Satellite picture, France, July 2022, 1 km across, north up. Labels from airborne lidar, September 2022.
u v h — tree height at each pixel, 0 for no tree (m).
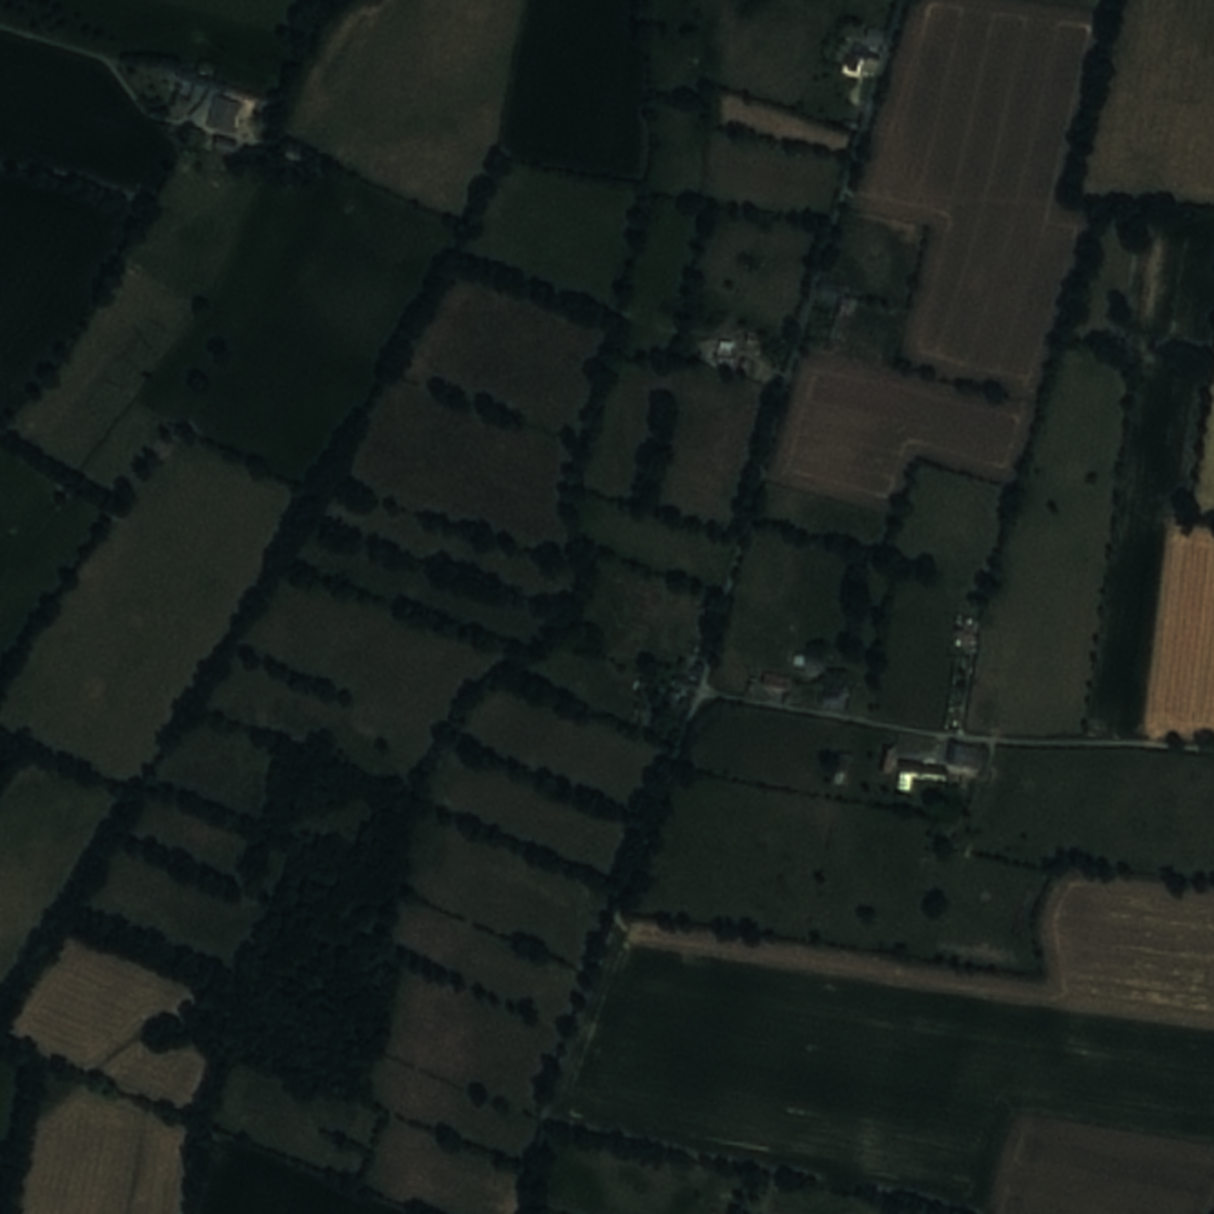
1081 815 0
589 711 11
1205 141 0
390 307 0
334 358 0
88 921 14
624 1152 16
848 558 16
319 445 0
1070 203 12
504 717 0
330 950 7
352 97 0
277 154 15
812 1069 0
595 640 8
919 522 0
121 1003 0
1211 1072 0
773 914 0
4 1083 0
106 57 0
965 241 0
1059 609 0
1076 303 20
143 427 0
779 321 0
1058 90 0
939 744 0
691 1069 0
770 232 0
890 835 0
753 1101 0
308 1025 14
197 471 0
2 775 17
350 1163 0
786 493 0
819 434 0
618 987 0
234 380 0
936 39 0
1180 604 0
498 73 0
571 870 13
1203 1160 0
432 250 0
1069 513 0
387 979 11
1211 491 0
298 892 11
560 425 0
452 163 0
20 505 0
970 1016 0
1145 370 13
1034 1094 0
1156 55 0
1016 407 0
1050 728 0
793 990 0
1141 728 0
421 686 0
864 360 0
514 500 0
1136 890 0
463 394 15
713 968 0
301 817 9
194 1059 0
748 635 0
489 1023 0
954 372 0
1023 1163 0
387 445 0
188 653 0
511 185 0
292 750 19
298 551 13
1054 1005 0
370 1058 19
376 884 14
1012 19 0
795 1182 16
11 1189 21
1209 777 0
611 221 0
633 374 0
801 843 0
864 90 0
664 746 8
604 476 0
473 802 0
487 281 18
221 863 0
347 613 0
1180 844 0
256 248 0
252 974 19
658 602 0
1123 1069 0
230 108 0
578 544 17
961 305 0
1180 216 20
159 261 0
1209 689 0
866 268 0
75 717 0
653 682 10
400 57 0
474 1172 0
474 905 0
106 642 0
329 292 0
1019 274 0
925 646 0
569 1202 0
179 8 0
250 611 18
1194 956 0
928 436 0
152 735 0
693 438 0
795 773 0
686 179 0
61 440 0
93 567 0
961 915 0
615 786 0
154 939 18
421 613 20
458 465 0
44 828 0
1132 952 0
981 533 0
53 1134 0
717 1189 0
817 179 0
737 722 0
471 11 0
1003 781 0
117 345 0
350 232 0
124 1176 0
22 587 0
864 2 0
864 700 0
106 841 21
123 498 17
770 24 0
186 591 0
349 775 14
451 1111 0
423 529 14
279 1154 6
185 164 0
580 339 0
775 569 0
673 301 0
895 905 0
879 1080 0
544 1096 21
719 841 0
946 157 0
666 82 0
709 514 0
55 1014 0
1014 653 0
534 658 16
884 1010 0
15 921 0
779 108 9
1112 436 0
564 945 0
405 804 15
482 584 21
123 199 14
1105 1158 0
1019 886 0
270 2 0
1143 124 0
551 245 0
